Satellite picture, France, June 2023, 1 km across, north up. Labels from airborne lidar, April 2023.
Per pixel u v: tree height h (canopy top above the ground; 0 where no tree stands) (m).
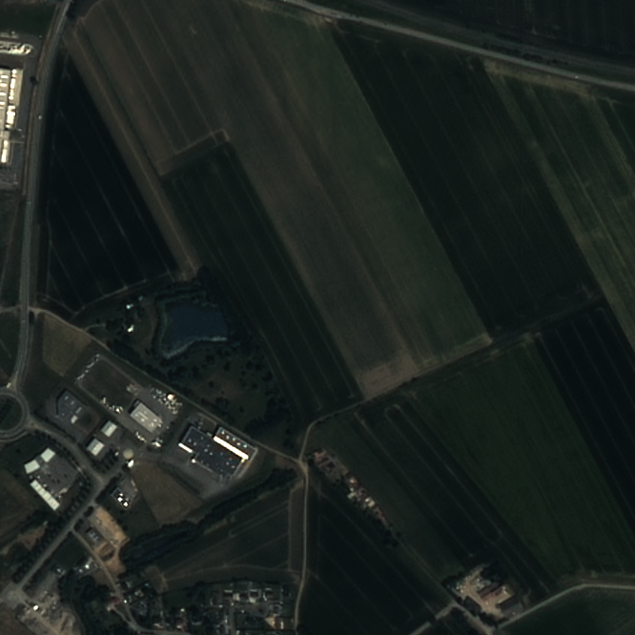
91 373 0
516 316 0
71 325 0
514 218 0
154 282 0
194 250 0
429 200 0
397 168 0
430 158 0
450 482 0
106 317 0
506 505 0
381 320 0
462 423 0
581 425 0
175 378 16
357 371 0
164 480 0
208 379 0
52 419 0
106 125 0
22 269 0
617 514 0
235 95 0
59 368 0
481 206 0
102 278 0
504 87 0
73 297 0
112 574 0
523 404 0
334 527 0
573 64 0
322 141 0
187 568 0
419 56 0
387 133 0
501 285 0
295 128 0
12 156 0
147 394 0
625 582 0
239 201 0
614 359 0
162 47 0
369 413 0
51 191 0
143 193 0
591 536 0
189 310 0
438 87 0
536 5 0
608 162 0
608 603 0
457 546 0
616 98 0
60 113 0
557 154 0
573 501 0
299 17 0
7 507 0
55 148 0
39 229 0
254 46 0
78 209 0
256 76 0
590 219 0
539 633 0
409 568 0
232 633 0
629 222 0
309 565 0
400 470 0
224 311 27
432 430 0
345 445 0
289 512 0
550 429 0
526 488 0
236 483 0
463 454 0
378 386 0
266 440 0
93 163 0
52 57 0
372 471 0
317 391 0
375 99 0
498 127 0
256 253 0
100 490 0
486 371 0
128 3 0
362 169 0
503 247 0
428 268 0
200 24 0
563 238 0
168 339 0
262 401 0
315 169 0
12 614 0
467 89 0
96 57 0
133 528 0
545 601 0
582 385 0
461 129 0
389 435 0
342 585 0
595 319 0
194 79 0
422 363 0
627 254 0
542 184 0
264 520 0
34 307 0
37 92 0
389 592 0
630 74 0
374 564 0
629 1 0
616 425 0
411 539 0
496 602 0
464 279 0
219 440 0
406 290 0
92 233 0
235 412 0
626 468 0
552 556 0
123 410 0
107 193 0
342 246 0
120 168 0
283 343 0
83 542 0
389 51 0
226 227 0
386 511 0
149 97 0
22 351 0
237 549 0
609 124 0
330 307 0
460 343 0
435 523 0
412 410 0
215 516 9
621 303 0
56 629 0
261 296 0
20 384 0
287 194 0
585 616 0
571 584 0
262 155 0
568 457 0
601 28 0
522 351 0
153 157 0
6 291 0
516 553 0
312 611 0
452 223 0
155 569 0
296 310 0
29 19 0
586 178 0
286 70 0
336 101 0
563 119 0
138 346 0
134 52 0
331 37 0
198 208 0
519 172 0
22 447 0
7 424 0
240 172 0
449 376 0
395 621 0
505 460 0
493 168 0
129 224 0
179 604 0
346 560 0
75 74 0
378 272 0
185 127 0
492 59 0
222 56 0
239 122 0
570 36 0
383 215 0
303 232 0
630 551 0
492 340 0
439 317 0
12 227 0
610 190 0
